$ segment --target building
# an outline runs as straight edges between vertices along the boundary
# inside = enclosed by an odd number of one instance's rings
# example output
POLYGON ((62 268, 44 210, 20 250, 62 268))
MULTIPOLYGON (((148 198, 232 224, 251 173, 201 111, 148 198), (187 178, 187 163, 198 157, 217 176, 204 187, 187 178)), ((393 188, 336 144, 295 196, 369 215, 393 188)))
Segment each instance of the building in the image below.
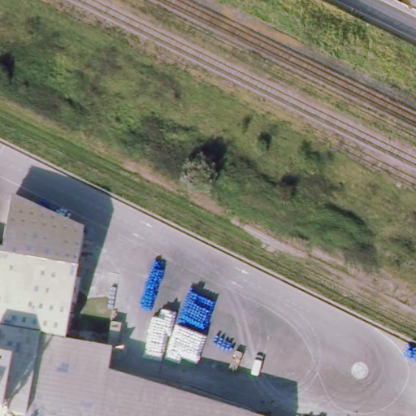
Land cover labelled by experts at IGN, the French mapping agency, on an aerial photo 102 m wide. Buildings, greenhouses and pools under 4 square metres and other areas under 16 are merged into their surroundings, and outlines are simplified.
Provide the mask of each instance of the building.
POLYGON ((416 0, 380 0, 416 18, 416 0))
POLYGON ((3 242, 0 245, 0 416, 263 416, 252 413, 249 409, 237 408, 153 380, 141 379, 136 375, 110 369, 110 344, 68 338, 68 320, 83 244, 83 224, 76 223, 63 214, 47 210, 28 198, 19 197, 16 193, 15 197, 11 198, 8 221, 3 223, 3 242))

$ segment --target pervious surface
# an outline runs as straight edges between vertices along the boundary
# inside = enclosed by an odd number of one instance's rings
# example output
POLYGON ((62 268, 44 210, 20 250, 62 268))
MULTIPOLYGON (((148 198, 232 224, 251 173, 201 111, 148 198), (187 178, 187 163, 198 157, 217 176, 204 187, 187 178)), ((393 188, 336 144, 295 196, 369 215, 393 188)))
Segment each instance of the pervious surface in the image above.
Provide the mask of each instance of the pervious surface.
POLYGON ((50 3, 55 10, 65 11, 65 16, 71 21, 84 24, 88 28, 107 29, 109 26, 115 26, 128 34, 135 34, 136 37, 140 37, 140 41, 148 41, 146 54, 154 55, 158 62, 177 63, 193 76, 193 80, 205 81, 223 89, 224 93, 236 94, 240 101, 249 102, 250 107, 258 114, 271 112, 273 122, 291 122, 292 130, 301 132, 315 151, 344 151, 349 158, 361 164, 367 171, 388 171, 398 184, 405 185, 409 190, 416 188, 416 96, 390 88, 388 84, 375 80, 364 71, 349 68, 348 65, 328 57, 320 50, 309 50, 307 45, 275 28, 273 24, 250 18, 227 3, 219 3, 218 0, 42 0, 44 3, 50 3))
POLYGON ((286 263, 289 258, 296 257, 302 263, 304 275, 309 278, 317 279, 320 283, 343 292, 344 296, 353 296, 357 302, 375 307, 382 310, 383 314, 416 327, 416 292, 409 291, 405 283, 396 281, 392 276, 379 273, 367 275, 361 265, 344 260, 343 253, 323 252, 320 245, 314 244, 309 237, 301 240, 291 237, 276 239, 262 224, 245 224, 232 214, 231 208, 219 206, 211 198, 210 193, 190 192, 180 185, 179 179, 167 179, 146 164, 130 159, 123 164, 125 169, 138 172, 143 175, 143 179, 161 185, 174 195, 187 197, 193 203, 203 206, 205 210, 229 219, 234 226, 244 229, 247 234, 260 240, 263 249, 268 250, 279 263, 286 263))

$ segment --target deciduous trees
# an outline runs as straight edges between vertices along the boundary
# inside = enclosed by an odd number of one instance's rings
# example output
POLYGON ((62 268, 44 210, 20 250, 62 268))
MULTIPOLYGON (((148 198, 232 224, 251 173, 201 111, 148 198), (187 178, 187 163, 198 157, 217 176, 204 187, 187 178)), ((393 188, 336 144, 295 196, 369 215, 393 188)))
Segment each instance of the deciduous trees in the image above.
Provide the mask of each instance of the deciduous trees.
POLYGON ((211 185, 203 184, 197 177, 197 172, 188 172, 179 179, 180 185, 190 192, 210 193, 211 185))

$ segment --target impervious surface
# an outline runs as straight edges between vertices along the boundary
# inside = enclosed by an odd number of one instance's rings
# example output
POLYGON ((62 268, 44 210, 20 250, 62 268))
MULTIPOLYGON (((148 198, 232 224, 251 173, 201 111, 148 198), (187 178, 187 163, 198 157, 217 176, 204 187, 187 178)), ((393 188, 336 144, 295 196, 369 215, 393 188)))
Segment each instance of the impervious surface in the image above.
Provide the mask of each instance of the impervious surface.
POLYGON ((356 16, 416 47, 416 18, 380 0, 325 0, 341 10, 348 11, 349 15, 356 16))
POLYGON ((110 369, 136 375, 141 379, 153 380, 237 408, 249 409, 252 413, 263 416, 416 416, 416 344, 409 343, 408 346, 401 343, 379 328, 370 327, 367 323, 344 314, 331 305, 323 304, 288 284, 281 283, 279 279, 250 268, 236 258, 187 236, 184 232, 177 231, 174 227, 166 226, 158 219, 149 218, 123 201, 110 201, 109 187, 63 174, 57 167, 50 166, 49 161, 45 161, 44 158, 19 148, 5 138, 0 138, 0 245, 3 242, 3 223, 8 221, 11 198, 15 197, 16 193, 19 197, 28 198, 47 210, 63 214, 76 223, 83 224, 83 244, 68 320, 68 338, 110 344, 110 369))

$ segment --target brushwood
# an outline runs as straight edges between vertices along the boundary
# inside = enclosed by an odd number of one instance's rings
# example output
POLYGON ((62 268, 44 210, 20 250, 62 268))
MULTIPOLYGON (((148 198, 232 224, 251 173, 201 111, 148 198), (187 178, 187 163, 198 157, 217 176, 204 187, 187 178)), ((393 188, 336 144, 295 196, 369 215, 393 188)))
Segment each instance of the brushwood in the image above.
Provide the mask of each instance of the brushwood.
POLYGON ((0 55, 0 96, 8 97, 19 106, 29 107, 42 117, 47 117, 50 112, 65 106, 68 97, 45 84, 50 76, 58 76, 58 71, 55 70, 57 52, 54 49, 47 49, 42 54, 39 49, 28 49, 16 63, 11 55, 0 55))
POLYGON ((344 260, 361 265, 367 275, 379 273, 377 253, 385 255, 387 250, 395 253, 401 260, 416 265, 416 247, 413 240, 408 237, 383 236, 380 232, 375 234, 367 226, 366 221, 354 211, 344 210, 341 206, 331 203, 335 200, 335 184, 325 177, 325 167, 333 161, 335 154, 315 158, 307 156, 302 149, 301 153, 294 156, 294 162, 301 169, 301 174, 297 177, 284 175, 283 179, 276 180, 260 171, 257 162, 245 156, 242 148, 236 145, 232 130, 223 128, 214 138, 206 138, 197 127, 179 125, 172 119, 143 117, 135 130, 125 119, 120 119, 120 123, 115 127, 104 127, 107 140, 104 143, 119 149, 130 159, 146 164, 167 179, 179 179, 188 172, 197 172, 197 177, 203 184, 211 185, 221 177, 224 166, 240 169, 247 167, 255 177, 276 187, 271 192, 273 197, 281 200, 288 200, 291 197, 292 211, 283 216, 284 223, 296 226, 296 232, 292 232, 291 237, 301 240, 309 237, 314 244, 320 245, 323 252, 343 253, 344 260))

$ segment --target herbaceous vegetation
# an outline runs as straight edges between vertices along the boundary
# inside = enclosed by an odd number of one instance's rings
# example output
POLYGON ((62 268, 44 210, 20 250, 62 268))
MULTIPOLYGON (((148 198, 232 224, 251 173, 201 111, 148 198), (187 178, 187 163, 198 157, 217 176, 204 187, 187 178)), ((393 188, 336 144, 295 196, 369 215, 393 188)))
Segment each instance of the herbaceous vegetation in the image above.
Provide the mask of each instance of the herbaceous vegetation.
POLYGON ((19 148, 44 158, 45 161, 49 161, 50 166, 57 167, 63 174, 109 187, 110 201, 123 201, 149 218, 158 219, 166 226, 174 227, 177 231, 184 232, 187 236, 236 258, 250 268, 279 279, 281 283, 288 284, 323 304, 331 305, 344 314, 367 323, 370 327, 379 328, 401 343, 408 346, 409 343, 416 344, 416 327, 383 314, 382 310, 375 307, 357 302, 353 296, 344 296, 343 292, 320 283, 317 279, 309 278, 304 275, 302 263, 296 257, 289 258, 286 263, 279 263, 268 250, 263 249, 260 240, 247 234, 244 229, 234 226, 229 219, 205 210, 203 206, 193 203, 187 197, 174 195, 161 185, 143 179, 143 175, 138 172, 125 169, 123 164, 130 159, 119 149, 104 143, 107 140, 104 127, 115 127, 120 123, 120 119, 125 119, 135 130, 143 117, 172 119, 179 125, 197 127, 206 138, 214 138, 223 128, 232 130, 236 145, 242 148, 245 156, 257 162, 260 171, 276 180, 283 179, 284 175, 297 177, 301 174, 301 169, 294 162, 294 156, 301 153, 302 149, 307 156, 315 158, 335 154, 333 161, 325 167, 325 177, 335 184, 335 200, 331 203, 341 206, 344 210, 354 211, 366 221, 367 226, 375 234, 380 232, 383 236, 408 237, 413 240, 416 247, 416 188, 409 190, 405 185, 398 184, 388 171, 367 171, 361 164, 349 158, 344 151, 315 151, 301 132, 292 130, 291 122, 273 122, 271 112, 258 114, 250 107, 249 102, 240 101, 236 94, 224 93, 223 89, 205 81, 193 80, 193 76, 177 63, 158 62, 154 55, 146 54, 148 41, 140 41, 140 37, 136 37, 135 34, 128 34, 115 26, 109 26, 107 29, 88 28, 84 24, 71 21, 65 16, 65 11, 55 10, 50 3, 44 3, 42 0, 0 0, 0 55, 11 55, 16 63, 28 49, 39 49, 42 54, 47 49, 54 49, 57 52, 55 70, 58 71, 58 76, 50 76, 45 84, 68 97, 65 106, 50 112, 47 117, 42 117, 29 107, 19 106, 8 97, 0 96, 0 138, 5 138, 19 148))
POLYGON ((348 11, 341 10, 325 0, 218 0, 219 3, 227 3, 250 18, 273 24, 275 28, 307 45, 309 50, 320 50, 328 57, 348 65, 349 68, 364 71, 375 80, 388 84, 390 88, 416 96, 416 47, 356 16, 349 15, 348 11))
POLYGON ((224 166, 221 177, 211 185, 210 193, 211 198, 219 206, 231 208, 232 214, 245 224, 262 224, 276 239, 291 237, 292 232, 296 232, 296 226, 284 223, 283 216, 292 211, 291 197, 288 200, 281 200, 273 197, 271 192, 276 187, 255 177, 247 167, 240 169, 224 166))
POLYGON ((416 265, 401 260, 395 253, 387 250, 385 255, 377 253, 379 273, 392 276, 396 281, 405 283, 409 291, 416 292, 416 265))

